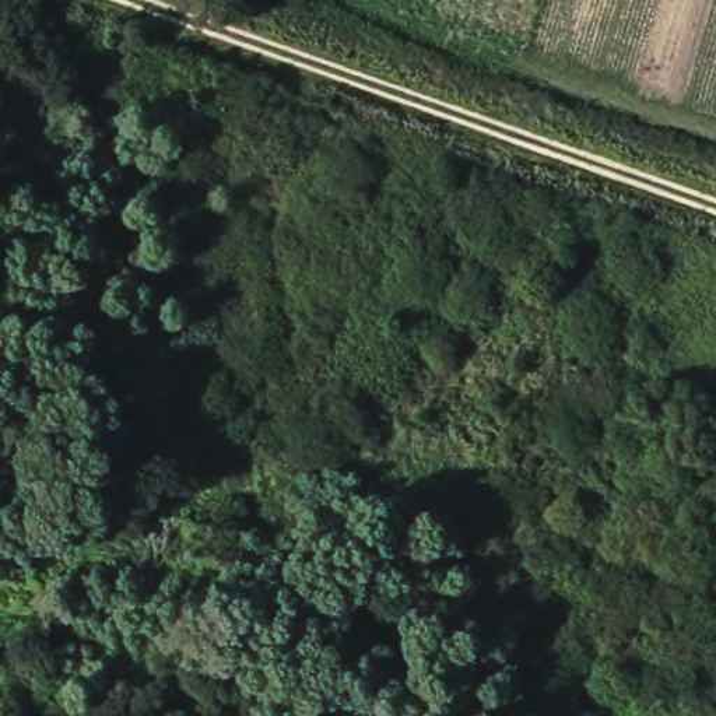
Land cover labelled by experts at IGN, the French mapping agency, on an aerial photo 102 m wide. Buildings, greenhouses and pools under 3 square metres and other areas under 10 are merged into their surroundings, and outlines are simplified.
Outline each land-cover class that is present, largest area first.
<instances>
[{"label":"brushwood","instance_id":"1","mask_svg":"<svg viewBox=\"0 0 716 716\"><path fill-rule=\"evenodd\" d=\"M140 14L106 0H70L67 20L87 31L95 45L120 53L123 73L117 84L106 92L120 109H140L145 103H154L157 98L171 95L173 90L185 92L193 109L199 92L213 90V101L207 103L204 117L218 120V140L193 154H185L179 148V154L165 162L159 176L148 173L145 185L134 193V199L148 204L165 179H199L210 190L221 187L227 196V207L218 215L229 229L213 249L196 255V266L204 269L207 285L235 280L243 291L238 302H232L213 319H204L199 324L182 319L179 330H168L173 347L201 344L213 347L224 358V364L218 366V372L210 375V383L204 389V411L210 417H218L227 428V436L235 445H243L249 453H255L257 448L269 450L271 456L282 453L285 442L271 422H296V431L302 434L305 467L310 461H324L330 470L338 473V461L350 453L352 445L361 448V459L369 464L389 461V445H378L369 431H364L361 417L355 411V397L361 389H369L386 406L392 400L406 397L417 403L422 397L414 380L428 372L420 347L428 338L445 350L456 341L461 327L470 330V338L475 344L484 336H489L509 313H523V322L531 330V350L520 352L517 364L526 372H537L543 378V386L529 394H520L517 389L506 386L495 397V403L509 417V425L503 431L509 436V459L515 461V467H487V478L509 501L520 562L531 576V596L540 601L551 596H565L571 601V613L554 638L557 654L585 677H590L593 663L615 668L624 677V682L635 691L640 710H649L654 699H663V713H668L680 699L688 702L699 716H716V545L705 529L691 523V512L705 498L716 501V461H702L699 456H694L696 414L688 400V383H680L668 375L660 378L629 366L624 383L613 380V375L604 369L607 347L599 344V319L593 316L590 305H582L576 294L559 299L551 291L557 288L562 271L573 260L571 249L579 241H596L590 218L582 215L587 204L607 201L624 207H649L657 221L677 224L674 235L688 232L705 241L708 246H716V215L674 204L668 199L635 190L629 185L523 151L517 145L431 117L425 112L406 109L378 95L308 73L302 78V92L296 95L294 90H285L277 81H269L266 76H246L227 64H213L204 56H193L187 50L148 45L137 31ZM249 20L241 25L271 39L296 45L302 50L344 62L380 78L478 109L498 120L517 123L523 129L565 140L571 145L604 154L610 159L654 171L660 176L716 196V140L694 134L688 129L652 123L635 112H624L590 98L562 92L517 70L492 73L481 56H456L450 48L428 39L417 25L392 22L347 0H249Z\"/></svg>","mask_w":716,"mask_h":716},{"label":"deciduous trees","instance_id":"2","mask_svg":"<svg viewBox=\"0 0 716 716\"><path fill-rule=\"evenodd\" d=\"M39 0H0V716H20L14 699V685L20 680L39 696L45 708L64 710L67 716H106L98 705L106 702L115 682H126L134 688L145 685L151 677L148 668L157 663L159 652H182V671L235 680L243 696L257 699V708L249 710V716H526L520 702L523 691L509 680L515 674L512 663L503 657V652L487 646L484 640L473 646V624L464 615L448 610V601L459 596L464 587V576L453 571L448 557H461V548L439 537V526L425 515L420 498L406 495L411 481L389 478L394 464L389 461L369 464L361 459V448L352 445L350 453L338 461V473L330 470L324 461H310L305 467L302 434L296 431V422H271L285 442L282 453L271 456L269 450L257 448L255 453H249L243 445H235L227 436V428L218 417H210L204 411V389L210 383V375L218 372V366L224 364V358L213 347L201 344L173 347L168 330H179L182 319L199 324L204 319H213L232 302H238L243 291L235 280L207 285L204 269L196 266V255L213 249L229 229L218 215L227 207V196L221 187L210 190L199 179H165L148 204L134 199V193L145 185L148 173L159 176L165 162L179 154V148L165 137L162 129H140V109H120L106 92H92V87L84 84L76 73L59 67L56 53L48 48L45 34L34 22ZM475 344L470 338V330L461 327L456 341L445 350L442 355L456 369H461L473 358ZM355 411L361 417L364 431H369L378 445H389L394 431L386 406L369 389H361L355 397Z\"/></svg>","mask_w":716,"mask_h":716},{"label":"herbaceous vegetation","instance_id":"3","mask_svg":"<svg viewBox=\"0 0 716 716\"><path fill-rule=\"evenodd\" d=\"M70 0H39L34 22L45 34L48 48L56 53L59 67L76 73L84 84L92 87V92H106L117 84L123 73L120 53L95 45L87 31L67 20ZM140 14L137 31L148 45L187 50L193 56H204L213 64H227L246 76H266L269 81H277L285 90H294L296 95L302 92V78L308 73L291 64L263 59L257 53H246L241 48L213 42L207 36H193L185 31L182 11H168V0H106ZM213 101V90L199 92L193 109L185 92L173 90L171 95L157 98L154 103H145L140 109V129H162L165 137L179 148L185 154H193L218 140V120L204 117L207 103ZM668 249L674 252V269L668 274V282L652 296L640 294V299L632 305L652 319H666L668 324H674V338L668 341V350H657L646 336L627 333L624 361L629 366L660 378L668 375L688 366H716V246H708L705 241L688 232L674 235L668 238ZM531 350V330L523 322V313H509L489 336H484L475 344L473 358L461 369H456L442 355L445 350L428 338L420 347L428 372L414 380L422 397L417 403L406 397L392 400L386 406L394 431L389 445V461L394 464L389 478L411 481L406 495L420 498L425 515L439 526V537L461 548V557H448L453 571L464 576V587L459 596L448 601V610L464 615L473 624V646L484 640L487 646L503 652V657L512 663L515 674L509 680L523 691L520 702L526 716H699L688 702L680 699L668 713H663V699H654L649 710H640L635 691L624 682V677L615 668L593 663L590 677H585L557 654L554 638L571 613V601L565 596H551L540 601L531 596V576L520 562L509 501L487 478V467H515V461L509 459V436L503 431L509 425V417L495 403V397L506 386L517 389L520 394H529L543 386V378L537 372H526L517 364L520 352Z\"/></svg>","mask_w":716,"mask_h":716},{"label":"agricultural land","instance_id":"4","mask_svg":"<svg viewBox=\"0 0 716 716\"><path fill-rule=\"evenodd\" d=\"M392 22L417 25L428 39L450 48L456 56H481L492 73L517 70L562 92L590 98L624 112H635L652 123L688 129L694 134L716 140V0H347Z\"/></svg>","mask_w":716,"mask_h":716},{"label":"coniferous trees","instance_id":"5","mask_svg":"<svg viewBox=\"0 0 716 716\"><path fill-rule=\"evenodd\" d=\"M190 3H204V11L213 14V22L218 28L241 25L249 20V0H168V11H182ZM582 215L590 218L596 241H579L571 249L573 260L562 271L557 288L551 291L559 299L576 294L582 305H590L593 316L599 319V344L607 347L604 369L613 375V380L624 383L629 366L624 361L627 333L646 336L657 350H668V341L674 338V324H668L666 319H652L632 305L640 299V294L652 296L668 282V274L674 269V252L668 249V238L674 235L677 224L657 221L649 207H624L607 201L587 204ZM668 375L680 383H688V400L696 414L694 456H699L702 461H716V366H688ZM691 523L705 529L716 545V501L705 498L691 512ZM182 652H159L157 663L148 668L151 677L145 685L134 688L126 682H115L106 702L98 705L106 716H249V710L257 708V699L243 696L235 680L182 671ZM14 699L20 716H67L64 710L45 708L39 696L20 680L14 685Z\"/></svg>","mask_w":716,"mask_h":716},{"label":"pervious surface","instance_id":"6","mask_svg":"<svg viewBox=\"0 0 716 716\"><path fill-rule=\"evenodd\" d=\"M185 31L193 36H207L213 42L241 48L246 53H257L263 59L291 64L308 73L378 95L406 109L425 112L431 117L517 145L523 151L629 185L635 190L668 199L674 204L716 215V196L660 176L654 171L610 159L604 154L571 145L565 140L523 129L517 123L498 120L478 109L380 78L344 62L302 50L296 45L271 39L241 25L218 28L213 22V14L204 11V3H190L182 11Z\"/></svg>","mask_w":716,"mask_h":716}]
</instances>
